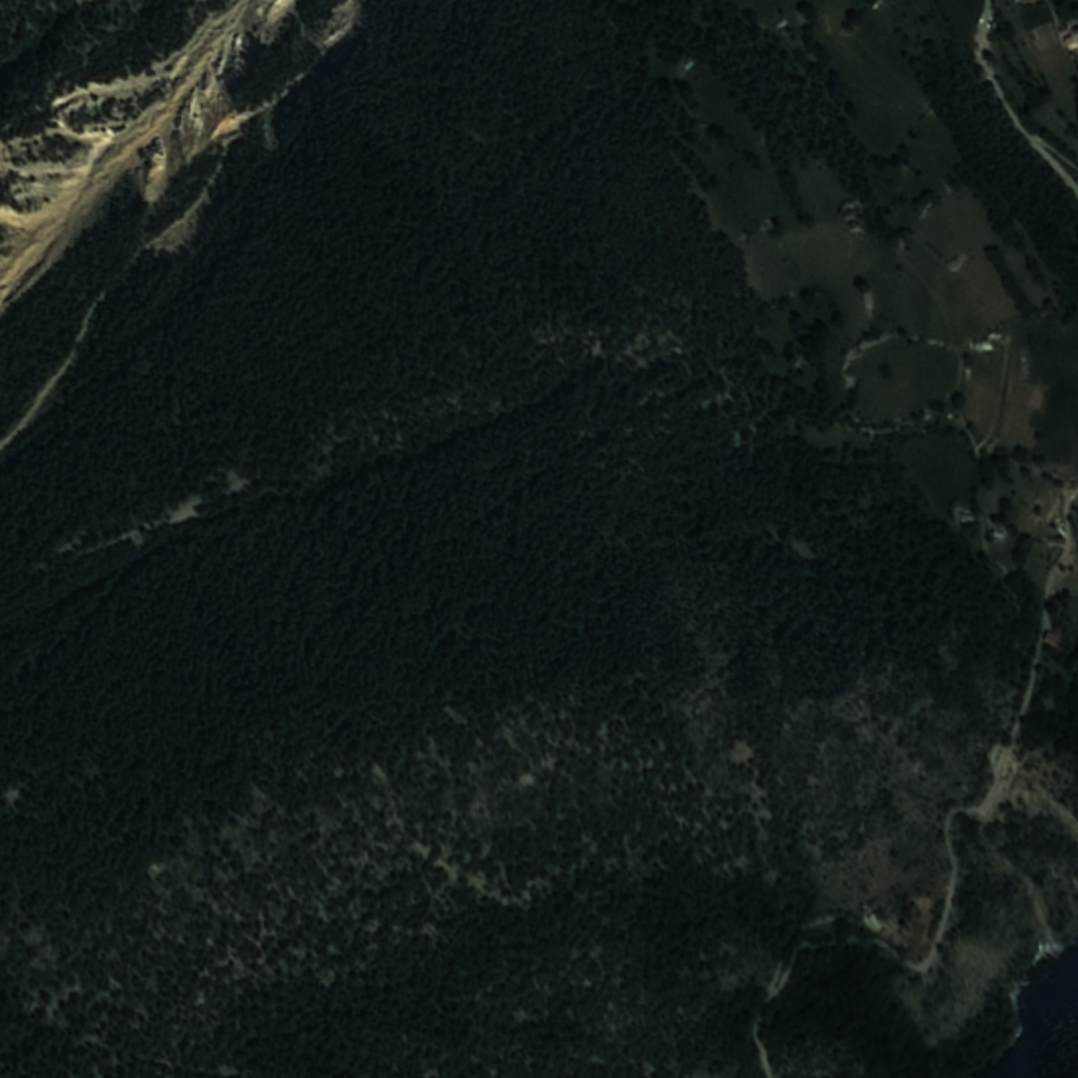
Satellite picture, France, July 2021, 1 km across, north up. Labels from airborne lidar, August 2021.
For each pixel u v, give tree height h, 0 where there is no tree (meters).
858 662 10
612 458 13
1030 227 11
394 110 24
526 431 16
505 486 17
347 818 8
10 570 18
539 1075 13
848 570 22
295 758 17
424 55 17
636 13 21
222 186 10
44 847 23
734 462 22
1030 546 14
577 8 28
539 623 19
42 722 28
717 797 6
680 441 12
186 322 25
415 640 24
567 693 10
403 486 26
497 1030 15
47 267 0
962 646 10
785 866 9
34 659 14
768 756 10
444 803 7
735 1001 13
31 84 14
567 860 14
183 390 19
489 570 22
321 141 17
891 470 8
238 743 23
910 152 10
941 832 10
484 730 9
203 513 11
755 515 22
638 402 11
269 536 21
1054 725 13
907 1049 20
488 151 20
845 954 12
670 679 6
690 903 16
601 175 27
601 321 14
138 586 25
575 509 16
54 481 24
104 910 16
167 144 0
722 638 11
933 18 11
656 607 14
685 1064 12
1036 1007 8
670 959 14
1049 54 0
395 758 9
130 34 13
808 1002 13
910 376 0
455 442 22
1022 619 9
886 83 0
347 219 17
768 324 12
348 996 9
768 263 0
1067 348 0
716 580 17
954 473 0
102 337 18
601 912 12
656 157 22
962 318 0
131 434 24
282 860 13
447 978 13
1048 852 9
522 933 9
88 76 8
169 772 29
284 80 12
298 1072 12
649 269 19
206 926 12
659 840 7
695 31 15
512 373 11
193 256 15
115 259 11
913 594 18
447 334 25
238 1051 20
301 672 28
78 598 24
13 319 16
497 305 23
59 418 16
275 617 16
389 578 18
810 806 7
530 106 14
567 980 13
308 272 24
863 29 0
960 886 6
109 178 0
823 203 0
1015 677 6
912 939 0
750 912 15
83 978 7
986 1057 21
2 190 7
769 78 20
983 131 17
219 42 0
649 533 18
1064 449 0
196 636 28
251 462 8
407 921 10
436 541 17
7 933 8
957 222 0
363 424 12
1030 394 0
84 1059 18
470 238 21
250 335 21
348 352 19
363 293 19
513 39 20
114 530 22
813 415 18
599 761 8
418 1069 11
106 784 23
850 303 0
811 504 10
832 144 15
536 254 13
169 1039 14
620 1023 8
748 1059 11
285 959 8
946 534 14
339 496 26
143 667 27
